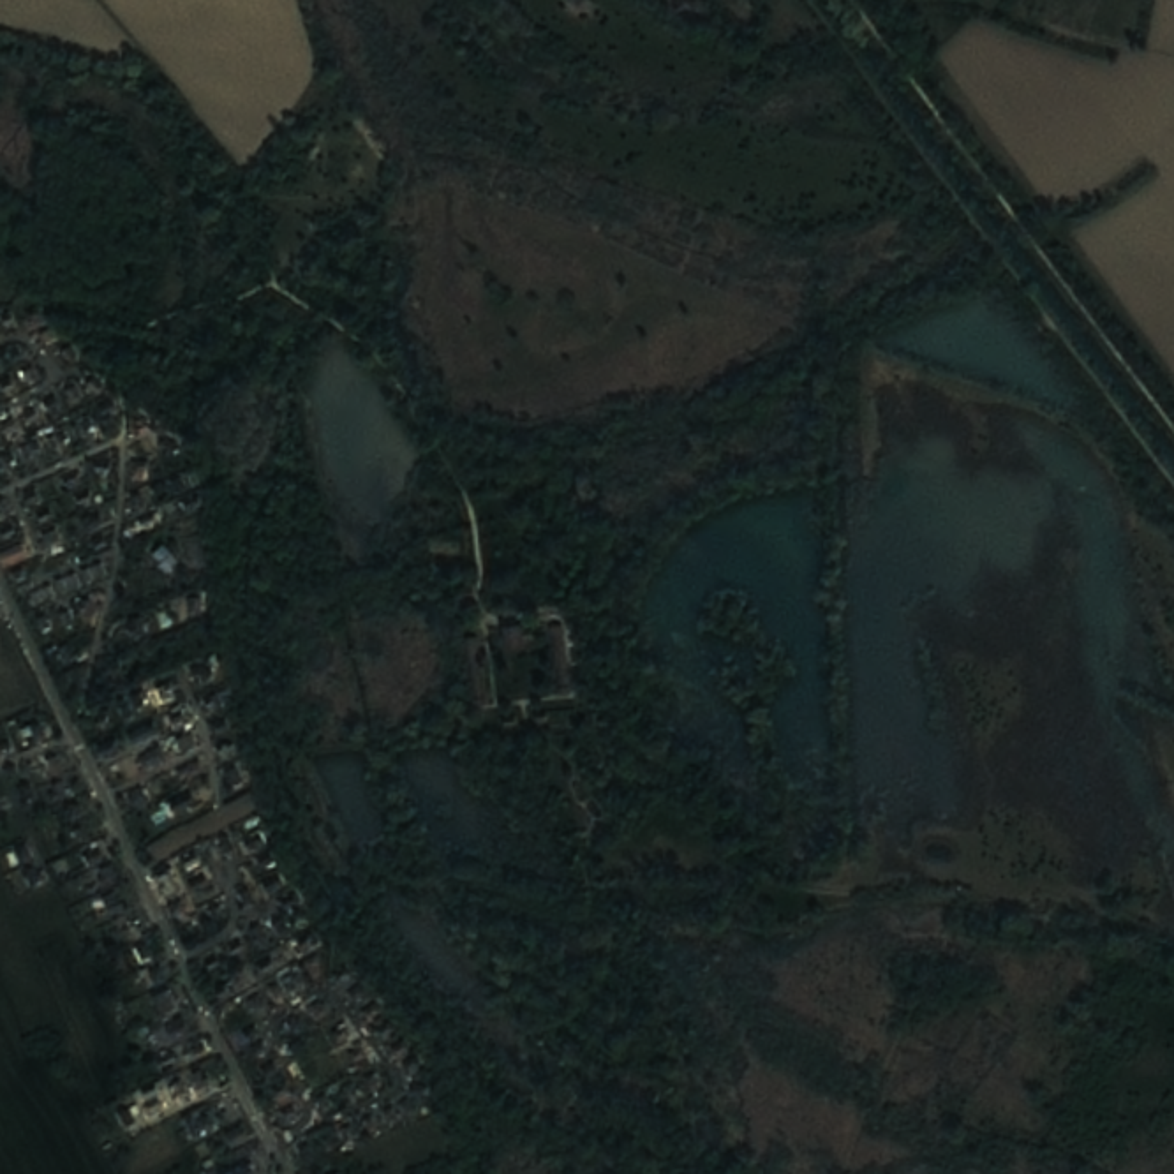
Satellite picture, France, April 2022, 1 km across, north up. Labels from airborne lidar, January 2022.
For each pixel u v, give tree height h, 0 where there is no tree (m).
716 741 10
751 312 0
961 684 0
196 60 0
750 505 0
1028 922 19
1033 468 0
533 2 0
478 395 0
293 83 0
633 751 28
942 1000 15
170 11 0
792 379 18
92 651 0
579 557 21
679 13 9
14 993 0
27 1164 0
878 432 0
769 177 0
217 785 0
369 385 0
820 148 0
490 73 7
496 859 0
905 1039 0
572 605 24
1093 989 13
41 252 24
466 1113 17
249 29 0
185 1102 0
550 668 12
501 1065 12
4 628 0
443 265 0
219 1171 0
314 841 0
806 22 0
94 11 0
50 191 23
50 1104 0
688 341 0
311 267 16
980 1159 12
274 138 6
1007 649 0
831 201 0
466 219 0
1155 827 0
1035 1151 6
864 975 0
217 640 20
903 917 0
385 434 0
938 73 0
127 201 20
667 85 0
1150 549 0
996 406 0
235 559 17
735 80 11
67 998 0
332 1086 0
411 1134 0
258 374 19
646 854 0
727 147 0
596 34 0
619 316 0
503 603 18
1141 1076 0
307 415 0
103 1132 10
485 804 0
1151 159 0
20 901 0
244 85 0
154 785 0
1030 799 0
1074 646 0
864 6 16
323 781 0
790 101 0
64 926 0
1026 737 0
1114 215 0
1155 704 17
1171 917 0
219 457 23
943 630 0
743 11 0
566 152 0
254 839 0
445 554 0
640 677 25
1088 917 15
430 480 16
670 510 14
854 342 7
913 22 17
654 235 0
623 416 10
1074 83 0
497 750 19
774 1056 7
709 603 8
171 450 0
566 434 13
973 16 9
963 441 0
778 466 23
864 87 7
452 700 18
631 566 24
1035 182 0
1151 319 0
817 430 17
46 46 8
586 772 13
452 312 0
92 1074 0
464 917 15
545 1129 9
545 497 7
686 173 0
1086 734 0
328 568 10
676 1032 14
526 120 12
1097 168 0
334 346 0
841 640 6
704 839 0
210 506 10
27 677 0
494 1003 12
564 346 0
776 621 0
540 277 0
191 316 17
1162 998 6
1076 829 0
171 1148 0
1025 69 0
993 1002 0
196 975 8
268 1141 0
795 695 0
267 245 17
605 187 6
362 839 0
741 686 18
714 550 0
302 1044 11
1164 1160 0
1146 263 0
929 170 11
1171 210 0
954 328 0
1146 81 0
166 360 14
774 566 0
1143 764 0
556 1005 20
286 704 23
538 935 24
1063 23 0
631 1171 34
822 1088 10
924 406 0
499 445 14
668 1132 35
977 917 10
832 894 0
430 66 0
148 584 0
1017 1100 0
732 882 19
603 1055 10
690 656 0
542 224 0
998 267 16
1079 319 10
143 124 0
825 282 13
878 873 0
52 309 7
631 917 24
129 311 6
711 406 12
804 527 0
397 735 8
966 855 0
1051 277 0
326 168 0
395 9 0
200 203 8
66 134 22
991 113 0
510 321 0
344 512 0
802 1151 8
